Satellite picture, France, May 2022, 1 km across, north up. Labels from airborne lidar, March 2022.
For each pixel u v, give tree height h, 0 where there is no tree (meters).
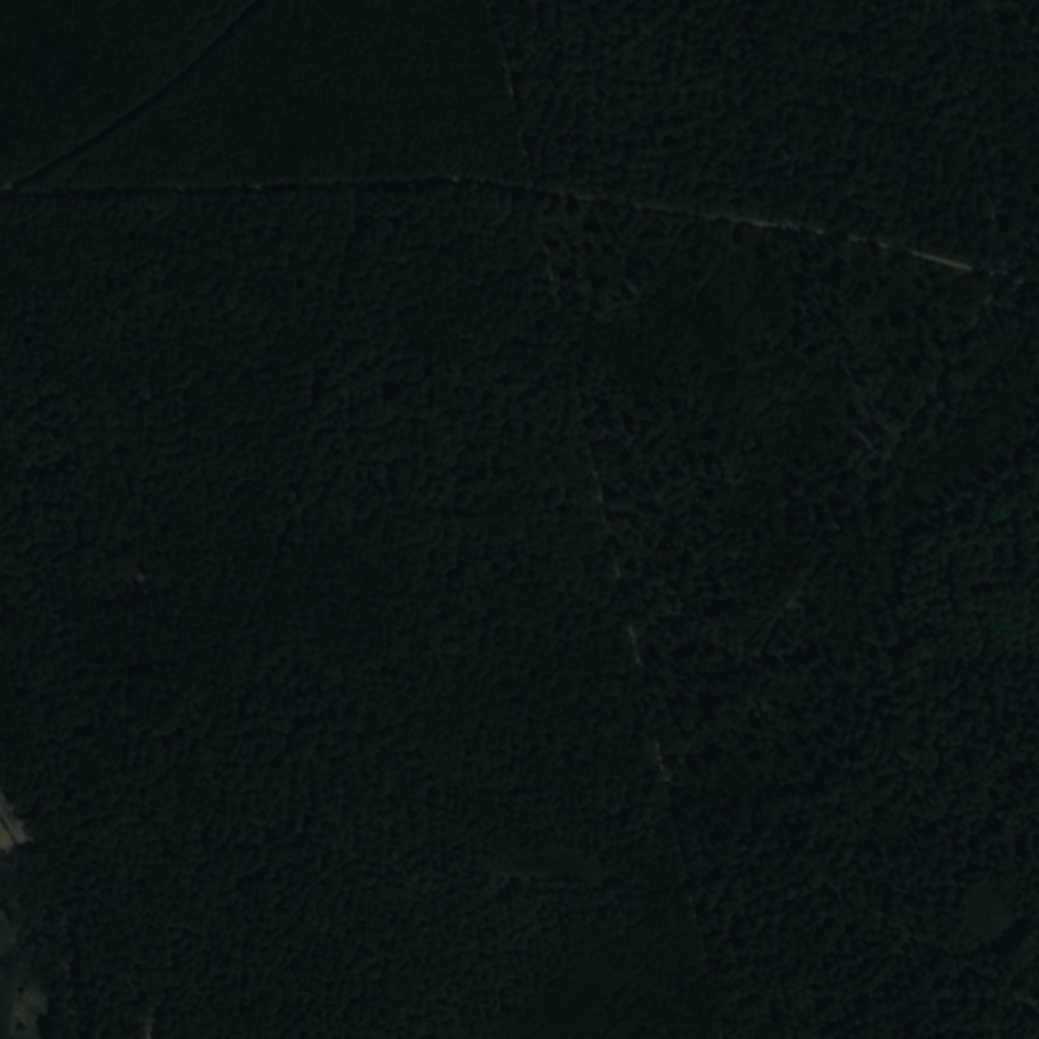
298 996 21
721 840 31
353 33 18
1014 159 25
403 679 26
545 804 23
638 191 22
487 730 29
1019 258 21
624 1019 15
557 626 29
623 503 30
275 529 24
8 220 24
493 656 27
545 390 28
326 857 25
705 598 12
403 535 28
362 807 26
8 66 17
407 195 28
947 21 23
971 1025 33
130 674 26
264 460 26
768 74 28
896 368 24
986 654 26
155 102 15
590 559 27
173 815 28
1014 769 6
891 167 25
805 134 22
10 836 0
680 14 29
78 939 24
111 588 25
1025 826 13
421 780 29
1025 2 26
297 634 28
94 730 28
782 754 33
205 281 26
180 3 17
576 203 21
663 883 16
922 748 31
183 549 29
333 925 25
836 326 31
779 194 25
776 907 22
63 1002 21
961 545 31
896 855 30
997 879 24
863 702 22
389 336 31
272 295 28
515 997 18
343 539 29
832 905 29
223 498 28
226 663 30
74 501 27
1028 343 18
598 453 18
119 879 24
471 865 17
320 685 29
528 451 28
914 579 32
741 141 26
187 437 30
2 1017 0
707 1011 14
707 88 22
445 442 30
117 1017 23
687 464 18
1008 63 26
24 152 19
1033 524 30
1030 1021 30
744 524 15
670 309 12
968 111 27
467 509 28
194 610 27
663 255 6
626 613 26
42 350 28
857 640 15
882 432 27
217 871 23
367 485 22
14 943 0
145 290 29
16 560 20
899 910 28
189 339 26
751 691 29
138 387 28
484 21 20
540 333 27
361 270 24
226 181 16
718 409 10
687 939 16
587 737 29
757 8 27
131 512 27
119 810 28
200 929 23
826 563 20
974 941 21
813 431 10
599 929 17
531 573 26
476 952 22
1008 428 13
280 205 25
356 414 30
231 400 29
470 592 28
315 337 27
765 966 28
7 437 25
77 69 21
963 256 10
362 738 26
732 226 7
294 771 30
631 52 29
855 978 14
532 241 28
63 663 26
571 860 0
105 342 30
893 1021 27
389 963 23
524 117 19
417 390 29
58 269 29
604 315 33
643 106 28
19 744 20
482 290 23
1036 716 31
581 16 27
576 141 26
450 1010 21
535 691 28
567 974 16
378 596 29
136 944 24
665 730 31
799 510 32
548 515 26
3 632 16
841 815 33
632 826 24
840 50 26
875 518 27
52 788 26
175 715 30
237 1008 23
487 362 29
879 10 26
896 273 24
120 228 28
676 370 8
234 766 31
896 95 24
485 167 16
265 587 25
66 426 28
